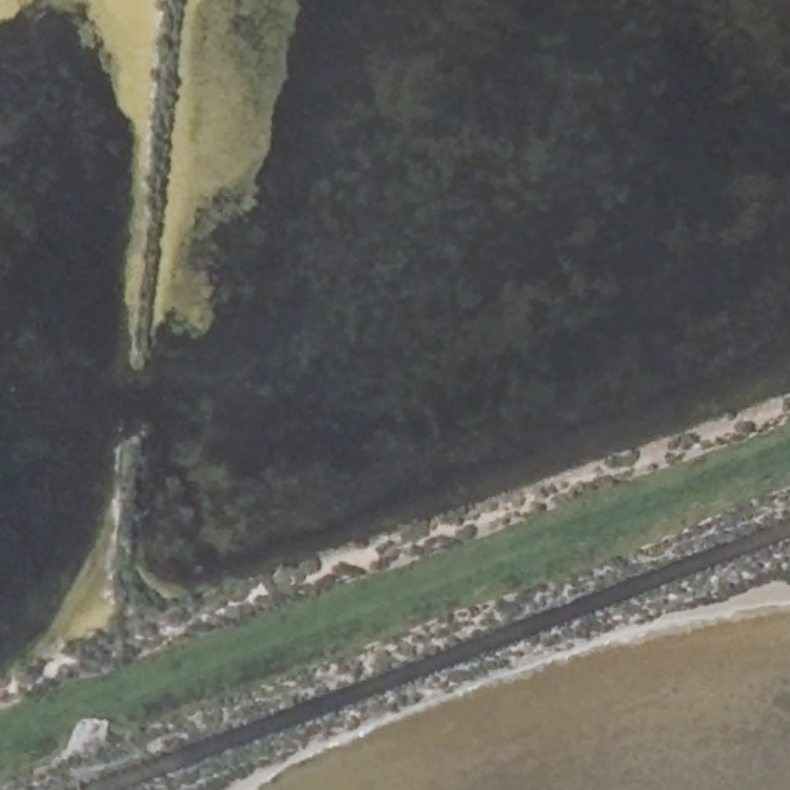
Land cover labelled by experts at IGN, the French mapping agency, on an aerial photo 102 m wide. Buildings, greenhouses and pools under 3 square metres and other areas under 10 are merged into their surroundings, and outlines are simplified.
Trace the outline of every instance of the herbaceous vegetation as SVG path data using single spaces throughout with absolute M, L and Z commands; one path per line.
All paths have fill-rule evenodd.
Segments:
M 188 235 L 179 244 L 179 256 L 173 262 L 170 309 L 160 324 L 173 333 L 191 333 L 207 330 L 213 321 L 207 268 L 216 259 L 219 244 L 213 231 L 219 222 L 228 222 L 231 216 L 250 213 L 256 204 L 256 173 L 272 142 L 275 99 L 287 80 L 287 43 L 299 12 L 296 0 L 201 0 L 191 46 L 194 108 L 188 127 L 191 198 L 198 201 L 198 207 Z

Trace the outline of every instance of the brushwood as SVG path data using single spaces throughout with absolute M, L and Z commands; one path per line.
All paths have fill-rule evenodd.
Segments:
M 339 728 L 358 728 L 370 716 L 395 713 L 407 704 L 417 704 L 426 685 L 447 691 L 484 673 L 506 670 L 509 648 L 491 651 L 466 663 L 454 663 L 441 673 L 432 673 L 423 682 L 367 697 L 343 713 L 324 713 L 318 719 L 306 719 L 296 728 L 259 738 L 247 747 L 231 747 L 222 756 L 170 771 L 167 778 L 145 784 L 142 790 L 228 790 L 235 781 L 287 759 L 315 738 L 330 738 Z
M 139 327 L 142 339 L 148 343 L 157 336 L 157 324 L 154 296 L 179 102 L 179 40 L 185 22 L 185 0 L 160 0 L 164 28 L 157 37 L 160 59 L 154 68 L 157 96 L 148 176 L 151 225 L 145 247 Z
M 738 429 L 734 435 L 716 441 L 701 438 L 697 426 L 679 429 L 663 438 L 667 469 L 685 469 L 697 457 L 734 451 L 759 438 L 771 438 L 781 429 L 790 429 L 790 392 L 778 398 L 784 404 L 784 417 L 771 423 L 744 423 L 741 414 L 728 417 Z
M 414 562 L 457 555 L 475 546 L 484 534 L 497 534 L 503 528 L 528 522 L 528 512 L 534 506 L 568 509 L 571 494 L 562 494 L 546 478 L 522 491 L 484 500 L 472 512 L 454 509 L 444 522 L 435 522 L 432 528 L 426 522 L 407 522 L 398 531 L 410 540 Z
M 633 481 L 639 475 L 639 451 L 614 451 L 605 460 L 611 463 L 608 478 Z
M 540 577 L 528 586 L 494 593 L 478 605 L 475 614 L 469 614 L 469 608 L 441 608 L 432 614 L 432 620 L 420 620 L 414 626 L 392 626 L 380 633 L 373 642 L 349 642 L 327 660 L 290 667 L 284 676 L 272 676 L 250 688 L 222 691 L 210 701 L 170 710 L 154 722 L 108 722 L 105 741 L 89 741 L 80 753 L 74 753 L 68 744 L 52 756 L 43 756 L 40 762 L 25 762 L 0 775 L 0 790 L 83 790 L 80 781 L 148 759 L 151 753 L 176 747 L 179 741 L 219 734 L 225 728 L 247 725 L 253 719 L 287 710 L 299 697 L 315 697 L 349 682 L 364 682 L 376 670 L 392 670 L 407 660 L 420 660 L 420 654 L 426 651 L 454 645 L 500 623 L 525 620 L 555 605 L 568 605 L 571 599 L 589 596 L 599 586 L 617 583 L 623 577 L 639 577 L 648 565 L 694 555 L 713 543 L 728 543 L 756 525 L 765 525 L 768 518 L 790 515 L 790 481 L 744 497 L 719 500 L 704 518 L 688 515 L 685 525 L 673 518 L 657 518 L 645 540 L 620 540 L 596 562 L 596 568 L 577 565 L 565 577 Z
M 275 574 L 265 574 L 256 586 L 244 577 L 225 577 L 213 586 L 173 586 L 148 574 L 142 562 L 133 559 L 130 537 L 120 534 L 114 565 L 117 605 L 108 626 L 96 630 L 86 639 L 71 639 L 68 645 L 52 642 L 52 654 L 77 657 L 74 667 L 65 667 L 59 676 L 46 676 L 49 657 L 37 645 L 12 663 L 9 682 L 0 682 L 0 710 L 12 710 L 19 704 L 74 688 L 89 679 L 105 679 L 123 667 L 136 667 L 151 654 L 164 654 L 179 645 L 194 645 L 204 639 L 235 633 L 238 626 L 299 608 L 312 599 L 343 593 L 355 583 L 367 583 L 370 574 L 386 577 L 395 571 L 392 565 L 398 562 L 398 549 L 392 540 L 376 549 L 376 562 L 367 568 L 336 565 L 330 577 L 306 583 L 306 574 L 315 568 L 312 562 L 306 562 L 302 568 L 278 568 Z
M 768 555 L 744 555 L 710 574 L 694 574 L 673 586 L 660 586 L 657 593 L 630 599 L 620 608 L 602 608 L 571 623 L 543 630 L 534 642 L 559 648 L 571 639 L 593 639 L 617 626 L 648 623 L 663 614 L 719 605 L 765 583 L 790 583 L 790 543 L 778 546 Z

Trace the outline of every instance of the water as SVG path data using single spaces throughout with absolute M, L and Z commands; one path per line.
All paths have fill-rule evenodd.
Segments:
M 105 679 L 89 679 L 74 688 L 19 704 L 12 710 L 0 710 L 0 775 L 25 762 L 40 762 L 43 756 L 52 756 L 68 744 L 77 722 L 108 722 L 154 722 L 170 710 L 210 701 L 222 691 L 250 688 L 272 676 L 284 676 L 290 667 L 327 660 L 349 642 L 373 642 L 380 633 L 392 626 L 414 626 L 420 620 L 432 620 L 432 614 L 441 608 L 469 608 L 469 614 L 475 614 L 478 605 L 494 593 L 528 586 L 540 577 L 565 577 L 577 565 L 596 568 L 596 562 L 620 540 L 645 540 L 657 518 L 673 518 L 685 525 L 688 515 L 704 518 L 719 500 L 744 497 L 790 481 L 790 429 L 781 429 L 771 438 L 759 438 L 734 451 L 697 457 L 685 469 L 667 469 L 651 466 L 645 475 L 639 475 L 633 481 L 608 478 L 577 484 L 571 494 L 568 509 L 534 506 L 528 512 L 528 522 L 503 528 L 497 534 L 484 534 L 475 546 L 457 555 L 414 562 L 395 571 L 386 577 L 370 574 L 367 583 L 355 583 L 343 593 L 312 599 L 299 608 L 238 626 L 235 633 L 204 639 L 194 645 L 179 645 L 164 654 L 151 654 L 136 667 L 123 667 Z
M 522 679 L 497 682 L 460 701 L 444 701 L 426 713 L 383 725 L 367 738 L 302 759 L 293 768 L 272 778 L 268 784 L 262 784 L 259 790 L 790 790 L 790 608 L 771 608 L 753 617 L 660 633 L 642 642 L 608 645 L 571 657 L 565 663 L 549 663 Z
M 306 562 L 312 562 L 315 568 L 321 565 L 324 552 L 367 546 L 376 534 L 398 531 L 407 522 L 426 522 L 432 528 L 435 522 L 444 522 L 454 509 L 472 512 L 484 500 L 522 491 L 546 478 L 586 466 L 593 460 L 605 460 L 614 451 L 639 451 L 663 438 L 679 429 L 697 426 L 728 417 L 741 414 L 747 407 L 759 407 L 778 398 L 790 392 L 790 0 L 296 0 L 299 12 L 287 43 L 287 80 L 275 99 L 272 142 L 256 173 L 256 204 L 250 213 L 231 216 L 228 222 L 219 222 L 213 231 L 219 244 L 216 259 L 207 268 L 213 321 L 207 330 L 191 333 L 173 333 L 160 324 L 157 324 L 157 336 L 148 343 L 142 367 L 130 367 L 123 299 L 136 167 L 133 120 L 117 105 L 111 80 L 114 59 L 102 43 L 99 25 L 89 19 L 89 6 L 71 3 L 68 9 L 59 9 L 49 0 L 0 0 L 0 682 L 9 682 L 12 663 L 37 645 L 52 626 L 68 589 L 74 586 L 86 555 L 99 540 L 102 522 L 108 518 L 108 503 L 114 494 L 114 444 L 130 438 L 139 426 L 148 426 L 148 438 L 133 454 L 133 494 L 123 503 L 120 534 L 130 537 L 133 559 L 142 562 L 148 574 L 173 586 L 213 586 L 225 577 L 244 577 L 256 586 L 265 574 L 275 574 L 278 568 L 302 568 Z
M 392 670 L 376 670 L 364 682 L 349 682 L 315 697 L 299 697 L 287 710 L 253 719 L 247 725 L 225 728 L 219 734 L 179 741 L 176 747 L 151 753 L 148 759 L 80 781 L 83 790 L 142 790 L 145 784 L 167 778 L 170 771 L 222 756 L 231 747 L 247 747 L 259 738 L 296 728 L 306 719 L 318 719 L 324 713 L 343 713 L 367 697 L 423 682 L 432 673 L 441 673 L 454 663 L 466 663 L 491 651 L 509 648 L 515 642 L 534 642 L 543 630 L 571 623 L 602 608 L 620 608 L 630 599 L 657 593 L 660 586 L 673 586 L 694 574 L 710 574 L 744 555 L 768 555 L 778 546 L 790 543 L 790 515 L 768 518 L 765 525 L 756 525 L 728 543 L 713 543 L 694 555 L 648 565 L 639 577 L 623 577 L 617 583 L 599 586 L 589 596 L 571 599 L 568 605 L 555 605 L 525 620 L 500 623 L 454 645 L 426 651 L 420 654 L 420 660 L 407 660 Z

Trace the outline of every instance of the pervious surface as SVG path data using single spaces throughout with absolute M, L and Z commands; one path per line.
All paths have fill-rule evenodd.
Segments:
M 154 296 L 157 324 L 160 324 L 170 309 L 173 262 L 179 256 L 179 244 L 188 235 L 198 207 L 198 201 L 191 198 L 188 127 L 194 108 L 191 46 L 201 0 L 185 0 L 185 22 L 179 40 L 179 102 Z
M 151 225 L 148 176 L 157 96 L 154 68 L 160 59 L 157 37 L 164 28 L 160 0 L 49 0 L 59 9 L 68 9 L 71 3 L 89 6 L 89 19 L 99 25 L 102 43 L 114 59 L 111 80 L 117 105 L 133 120 L 136 167 L 123 299 L 130 367 L 142 367 L 148 343 L 142 339 L 139 327 L 145 247 Z
M 108 722 L 77 722 L 68 744 L 74 753 L 80 753 L 89 741 L 105 741 Z
M 392 540 L 398 549 L 398 562 L 392 565 L 395 571 L 414 562 L 410 540 L 398 531 L 376 534 L 367 546 L 324 552 L 321 565 L 315 568 L 306 574 L 306 583 L 330 577 L 336 565 L 367 568 L 376 562 L 376 549 Z
M 784 417 L 784 404 L 778 398 L 759 407 L 747 407 L 741 414 L 744 423 L 771 423 Z
M 302 759 L 367 738 L 383 725 L 426 713 L 444 701 L 460 701 L 497 682 L 522 679 L 549 663 L 565 663 L 571 657 L 608 645 L 642 642 L 660 633 L 753 617 L 771 608 L 790 608 L 790 583 L 765 583 L 719 605 L 663 614 L 648 623 L 617 626 L 593 639 L 571 639 L 559 648 L 534 642 L 515 642 L 509 648 L 506 670 L 484 673 L 447 691 L 426 685 L 417 704 L 407 704 L 395 713 L 370 716 L 358 728 L 339 728 L 330 738 L 315 738 L 287 759 L 235 781 L 228 790 L 259 790 L 262 784 L 268 784 L 272 778 L 293 768 Z
M 663 438 L 639 451 L 639 475 L 645 475 L 651 466 L 667 469 Z
M 701 438 L 716 441 L 734 435 L 738 429 L 728 417 L 697 426 Z
M 571 494 L 577 484 L 608 478 L 611 463 L 605 460 L 593 460 L 586 466 L 546 478 L 562 494 Z
M 68 589 L 52 626 L 37 645 L 49 657 L 46 676 L 59 676 L 65 667 L 74 667 L 77 657 L 52 654 L 52 642 L 68 645 L 71 639 L 86 639 L 96 630 L 108 626 L 117 605 L 114 565 L 120 534 L 123 503 L 133 494 L 133 454 L 148 438 L 148 426 L 139 426 L 130 438 L 114 444 L 114 494 L 108 503 L 108 518 L 102 522 L 99 540 L 86 555 L 74 586 Z

